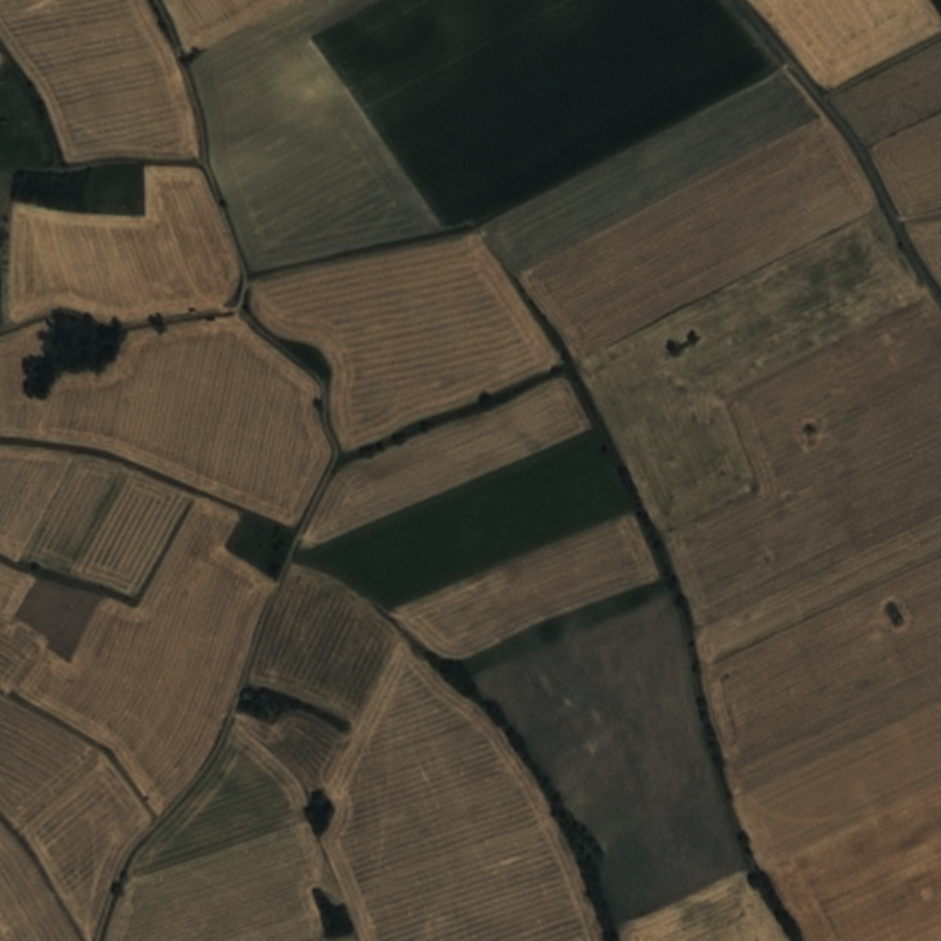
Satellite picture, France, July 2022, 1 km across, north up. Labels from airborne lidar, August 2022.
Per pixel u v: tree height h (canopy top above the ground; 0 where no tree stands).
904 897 0
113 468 0
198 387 0
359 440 0
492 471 0
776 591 0
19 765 0
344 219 0
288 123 0
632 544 0
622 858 0
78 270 0
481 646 0
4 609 0
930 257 0
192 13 0
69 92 0
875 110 0
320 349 0
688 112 0
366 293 0
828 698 0
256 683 0
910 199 0
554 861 0
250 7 0
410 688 0
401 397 0
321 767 0
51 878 0
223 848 0
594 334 0
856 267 0
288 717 0
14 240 0
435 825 0
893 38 0
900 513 0
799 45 0
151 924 0
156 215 0
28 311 0
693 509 0
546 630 0
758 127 0
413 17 0
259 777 0
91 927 0
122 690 0
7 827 0
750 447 0
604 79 0
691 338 10
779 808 0
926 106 0
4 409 0
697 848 0
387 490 0
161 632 0
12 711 0
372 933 0
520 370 0
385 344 0
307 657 0
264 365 0
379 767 0
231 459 0
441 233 0
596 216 0
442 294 0
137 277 0
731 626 0
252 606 0
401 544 0
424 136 0
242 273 0
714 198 0
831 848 0
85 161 0
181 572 0
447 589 0
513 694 0
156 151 0
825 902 0
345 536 0
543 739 0
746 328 0
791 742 0
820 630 0
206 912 0
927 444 0
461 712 0
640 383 0
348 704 0
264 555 0
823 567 0
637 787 0
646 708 0
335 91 0
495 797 0
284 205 0
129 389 0
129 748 0
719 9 0
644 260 0
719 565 0
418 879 0
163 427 0
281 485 0
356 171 0
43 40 0
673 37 0
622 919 0
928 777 0
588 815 0
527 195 0
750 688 0
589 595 0
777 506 0
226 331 0
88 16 0
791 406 0
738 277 0
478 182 0
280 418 0
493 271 0
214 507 0
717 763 8
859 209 0
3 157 0
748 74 0
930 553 0
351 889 0
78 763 0
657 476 0
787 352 0
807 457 0
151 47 0
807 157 0
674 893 0
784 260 0
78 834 0
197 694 0
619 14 0
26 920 0
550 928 0
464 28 0
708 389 0
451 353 0
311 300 0
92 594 0
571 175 0
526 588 0
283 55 0
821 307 0
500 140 0
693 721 0
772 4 0
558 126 0
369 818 0
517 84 0
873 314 0
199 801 0
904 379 0
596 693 0
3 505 0
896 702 0
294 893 0
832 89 0
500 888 0
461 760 0
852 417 0
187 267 0
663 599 0
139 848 0
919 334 0
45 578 0
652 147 0
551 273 0
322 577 0
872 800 0
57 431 0
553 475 0
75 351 29
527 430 0
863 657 0
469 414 0
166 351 0
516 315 0
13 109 0
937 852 0
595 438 0
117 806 0
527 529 0
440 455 0
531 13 0
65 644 0
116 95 0
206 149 0
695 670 8
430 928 0
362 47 0
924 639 0
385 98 0
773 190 0
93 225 0
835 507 0
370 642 0
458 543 0
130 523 0
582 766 0
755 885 10
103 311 0
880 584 0
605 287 0
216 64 0
